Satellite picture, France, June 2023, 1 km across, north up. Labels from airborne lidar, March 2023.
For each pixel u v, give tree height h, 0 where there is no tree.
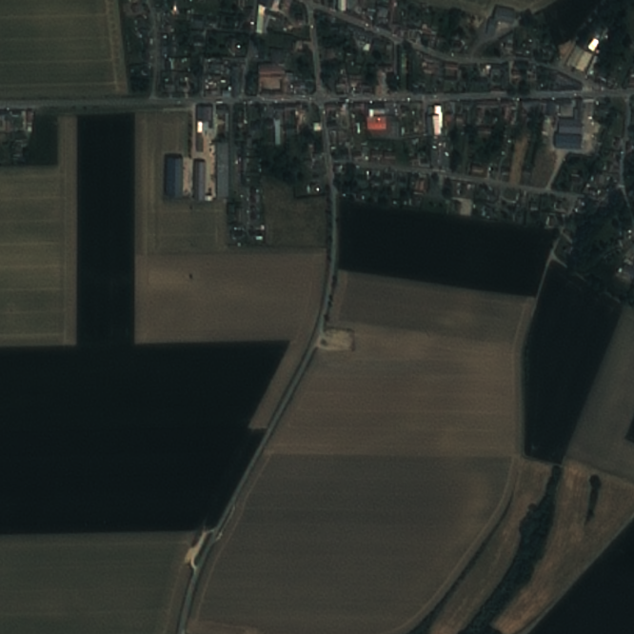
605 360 0
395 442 0
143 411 0
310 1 0
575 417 0
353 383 0
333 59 6
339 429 0
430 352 0
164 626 0
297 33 0
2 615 0
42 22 0
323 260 0
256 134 0
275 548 0
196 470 0
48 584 0
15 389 0
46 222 0
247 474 0
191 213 0
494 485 0
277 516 0
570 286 0
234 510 0
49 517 0
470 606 0
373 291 0
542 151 0
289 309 0
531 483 0
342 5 0
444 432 0
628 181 6
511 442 0
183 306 0
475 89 0
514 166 0
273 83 0
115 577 0
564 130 0
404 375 0
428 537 0
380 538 0
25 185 0
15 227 0
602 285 18
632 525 0
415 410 0
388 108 0
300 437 0
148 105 0
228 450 0
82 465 0
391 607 0
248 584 0
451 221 0
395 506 0
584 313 0
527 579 11
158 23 0
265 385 0
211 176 0
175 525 0
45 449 0
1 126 0
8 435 0
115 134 0
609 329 0
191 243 0
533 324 0
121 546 0
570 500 0
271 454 0
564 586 0
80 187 0
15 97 0
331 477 0
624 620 0
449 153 0
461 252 0
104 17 0
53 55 0
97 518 0
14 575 0
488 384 0
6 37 0
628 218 18
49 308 0
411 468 0
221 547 0
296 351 0
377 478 0
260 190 0
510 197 0
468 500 0
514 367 0
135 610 0
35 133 0
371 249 0
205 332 0
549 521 12
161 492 0
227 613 0
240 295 0
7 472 0
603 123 6
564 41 0
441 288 0
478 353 0
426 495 0
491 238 0
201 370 0
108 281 0
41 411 0
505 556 0
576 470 0
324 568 0
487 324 0
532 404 0
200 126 0
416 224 0
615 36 18
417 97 0
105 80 0
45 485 0
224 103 0
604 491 0
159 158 0
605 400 0
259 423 0
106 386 0
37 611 0
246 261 0
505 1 0
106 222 0
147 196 0
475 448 0
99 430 0
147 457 0
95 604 0
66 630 0
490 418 0
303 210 0
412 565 0
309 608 0
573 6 0
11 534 0
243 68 0
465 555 0
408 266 0
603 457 0
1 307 0
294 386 0
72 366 0
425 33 7
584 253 19
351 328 0
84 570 0
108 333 0
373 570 0
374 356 0
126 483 0
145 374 0
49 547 0
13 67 0
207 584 0
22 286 0
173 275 0
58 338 0
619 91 0
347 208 0
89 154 0
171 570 0
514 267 0
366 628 0
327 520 0
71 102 0
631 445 0
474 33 10
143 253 0
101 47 0
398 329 0
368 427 0
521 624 0
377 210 0
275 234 0
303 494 0
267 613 0
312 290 0
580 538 0
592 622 0
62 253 0
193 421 0
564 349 0
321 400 0
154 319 0
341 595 0
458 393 0
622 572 0
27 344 0
